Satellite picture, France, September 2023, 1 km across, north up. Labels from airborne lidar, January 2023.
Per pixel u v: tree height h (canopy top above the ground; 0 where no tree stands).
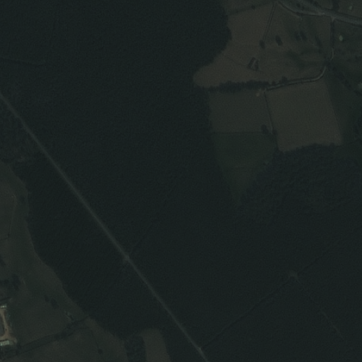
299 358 14
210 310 14
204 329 14
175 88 20
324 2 0
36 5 20
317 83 0
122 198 21
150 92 17
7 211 0
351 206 19
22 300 0
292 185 20
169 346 7
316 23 0
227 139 0
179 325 0
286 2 0
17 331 0
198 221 14
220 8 15
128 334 15
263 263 15
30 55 20
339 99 0
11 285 0
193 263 14
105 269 5
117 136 19
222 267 16
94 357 0
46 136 19
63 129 17
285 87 0
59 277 7
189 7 18
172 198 18
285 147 0
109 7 22
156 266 15
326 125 0
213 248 19
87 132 16
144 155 20
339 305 14
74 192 0
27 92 19
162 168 19
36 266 0
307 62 0
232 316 11
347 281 15
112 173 19
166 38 19
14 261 0
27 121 18
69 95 18
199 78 0
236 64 0
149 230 13
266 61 0
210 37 20
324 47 0
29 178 6
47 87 18
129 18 21
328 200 21
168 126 18
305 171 20
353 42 0
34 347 0
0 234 0
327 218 19
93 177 19
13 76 20
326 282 13
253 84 15
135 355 15
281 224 19
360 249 14
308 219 20
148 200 20
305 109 0
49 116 17
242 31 0
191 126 20
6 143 27
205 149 17
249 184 0
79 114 20
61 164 19
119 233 19
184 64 21
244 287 16
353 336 13
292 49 0
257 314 13
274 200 17
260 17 0
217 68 0
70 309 0
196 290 14
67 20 19
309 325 14
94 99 15
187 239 16
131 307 12
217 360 12
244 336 11
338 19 0
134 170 20
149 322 14
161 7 20
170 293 12
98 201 19
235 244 18
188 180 16
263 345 13
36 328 0
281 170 22
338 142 0
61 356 0
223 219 16
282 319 14
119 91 15
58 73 18
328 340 12
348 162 15
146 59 20
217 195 19
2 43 19
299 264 17
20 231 0
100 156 20
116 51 21
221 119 0
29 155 27
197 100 18
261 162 0
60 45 17
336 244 14
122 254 0
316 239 20
